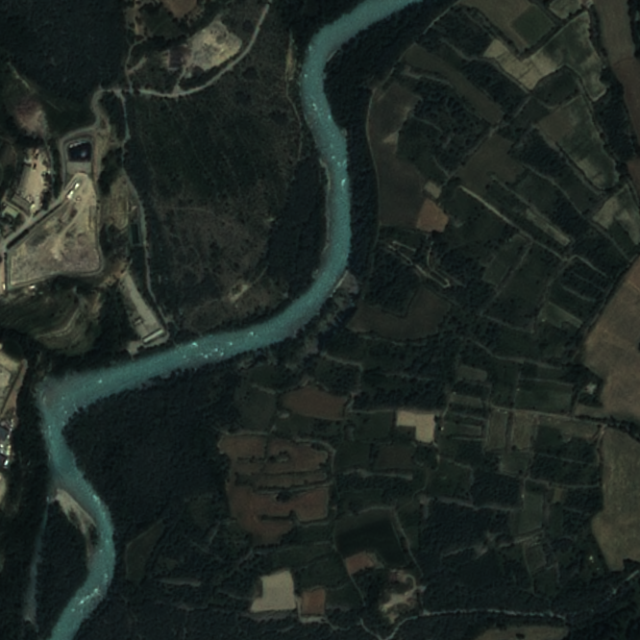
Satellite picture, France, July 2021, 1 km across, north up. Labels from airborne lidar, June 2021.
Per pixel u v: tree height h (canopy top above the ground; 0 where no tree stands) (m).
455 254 8
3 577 18
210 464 13
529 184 0
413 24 18
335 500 7
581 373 10
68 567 9
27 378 11
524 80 0
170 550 7
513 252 0
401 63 7
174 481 12
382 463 0
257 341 0
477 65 8
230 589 8
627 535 0
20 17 12
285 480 0
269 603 0
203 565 8
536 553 0
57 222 0
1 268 0
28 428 14
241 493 0
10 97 0
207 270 8
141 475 10
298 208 13
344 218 0
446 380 6
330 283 0
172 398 14
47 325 0
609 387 0
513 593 10
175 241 6
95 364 16
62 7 9
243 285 0
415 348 11
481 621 13
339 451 0
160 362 0
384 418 0
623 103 6
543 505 0
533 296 0
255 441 0
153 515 14
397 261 8
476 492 6
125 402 10
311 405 0
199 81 8
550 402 0
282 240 15
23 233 6
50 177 9
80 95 9
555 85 0
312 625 7
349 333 8
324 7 21
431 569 8
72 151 0
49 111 0
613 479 0
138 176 8
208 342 0
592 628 9
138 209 0
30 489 8
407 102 0
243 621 7
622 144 8
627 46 0
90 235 0
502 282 0
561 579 8
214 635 9
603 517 0
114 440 10
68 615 0
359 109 10
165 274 7
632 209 0
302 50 9
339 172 0
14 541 12
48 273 0
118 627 10
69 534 15
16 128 10
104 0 14
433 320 0
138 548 0
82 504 0
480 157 0
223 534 8
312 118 0
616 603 10
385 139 0
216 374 6
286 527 0
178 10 0
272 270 12
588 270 7
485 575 7
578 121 0
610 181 0
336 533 0
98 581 0
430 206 0
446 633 8
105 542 0
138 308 0
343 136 0
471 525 8
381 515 0
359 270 9
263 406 0
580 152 0
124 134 9
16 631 11
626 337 0
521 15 0
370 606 6
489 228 0
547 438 0
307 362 6
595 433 0
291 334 0
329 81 10
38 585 7
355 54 18
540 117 0
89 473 6
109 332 19
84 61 8
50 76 11
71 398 0
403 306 8
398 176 0
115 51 9
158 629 9
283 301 6
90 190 0
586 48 0
